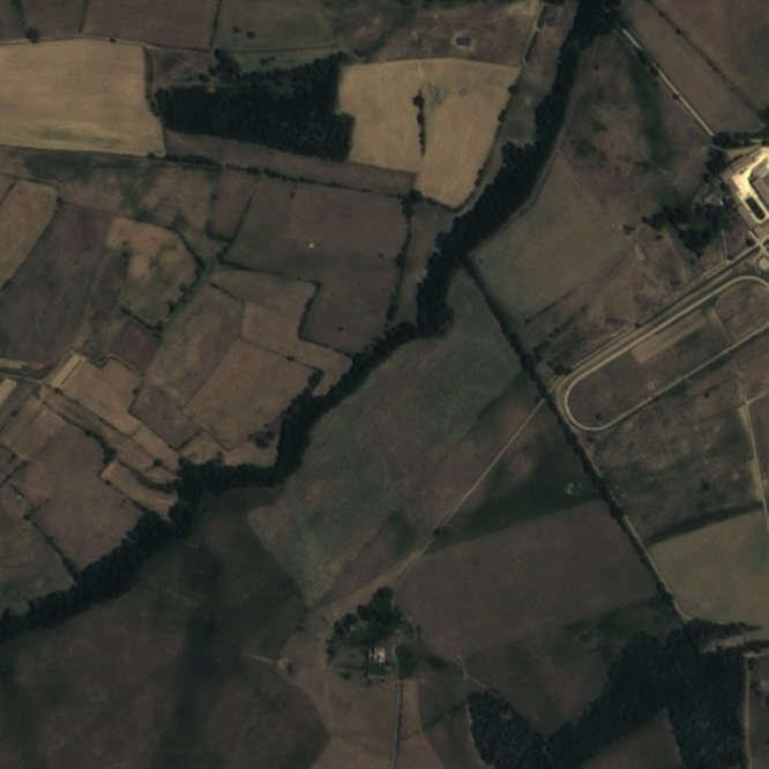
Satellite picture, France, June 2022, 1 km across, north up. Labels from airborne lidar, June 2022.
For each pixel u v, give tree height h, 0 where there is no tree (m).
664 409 0
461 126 0
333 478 0
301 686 0
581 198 0
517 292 0
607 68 0
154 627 0
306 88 17
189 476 12
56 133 0
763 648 6
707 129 0
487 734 14
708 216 11
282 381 0
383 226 0
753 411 0
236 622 0
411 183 0
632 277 0
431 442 0
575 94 0
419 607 0
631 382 0
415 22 0
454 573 0
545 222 0
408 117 0
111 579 21
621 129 0
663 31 0
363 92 0
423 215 0
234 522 0
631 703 12
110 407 0
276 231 0
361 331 0
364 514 0
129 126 0
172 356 0
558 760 14
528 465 0
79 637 0
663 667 12
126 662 0
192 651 0
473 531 0
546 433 0
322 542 0
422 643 0
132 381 0
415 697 0
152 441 0
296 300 0
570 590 0
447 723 0
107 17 0
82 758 0
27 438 0
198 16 0
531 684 0
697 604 0
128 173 0
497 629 0
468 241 12
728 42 0
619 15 16
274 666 0
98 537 0
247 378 0
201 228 0
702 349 0
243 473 19
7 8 0
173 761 0
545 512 0
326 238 0
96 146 0
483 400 0
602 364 0
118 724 0
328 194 0
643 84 0
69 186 0
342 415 0
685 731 14
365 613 10
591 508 0
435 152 0
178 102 10
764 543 0
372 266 0
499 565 0
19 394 0
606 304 0
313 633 0
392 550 0
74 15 0
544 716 0
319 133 15
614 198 0
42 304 0
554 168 0
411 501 0
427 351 0
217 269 0
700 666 14
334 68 13
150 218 0
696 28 0
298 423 19
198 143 0
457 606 0
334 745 0
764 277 0
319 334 0
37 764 0
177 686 0
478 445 0
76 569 10
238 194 0
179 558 0
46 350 0
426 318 15
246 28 0
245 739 0
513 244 0
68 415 0
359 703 0
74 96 0
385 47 0
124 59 0
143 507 9
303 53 0
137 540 19
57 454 0
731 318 0
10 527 0
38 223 0
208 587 0
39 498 0
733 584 0
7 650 0
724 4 0
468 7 0
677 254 0
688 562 0
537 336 0
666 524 0
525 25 0
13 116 0
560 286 0
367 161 0
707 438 0
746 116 0
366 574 0
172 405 0
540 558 0
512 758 12
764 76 0
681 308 0
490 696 9
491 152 0
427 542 0
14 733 0
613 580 0
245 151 0
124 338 0
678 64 0
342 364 0
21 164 0
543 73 0
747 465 0
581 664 0
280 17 0
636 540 9
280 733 0
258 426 0
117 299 0
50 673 0
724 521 0
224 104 15
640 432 0
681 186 0
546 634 0
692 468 0
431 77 0
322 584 0
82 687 0
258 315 0
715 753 13
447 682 0
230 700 0
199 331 0
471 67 0
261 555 0
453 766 0
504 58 0
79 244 0
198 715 0
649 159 0
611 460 0
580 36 16
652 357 0
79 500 0
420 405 0
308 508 0
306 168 0
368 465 0
